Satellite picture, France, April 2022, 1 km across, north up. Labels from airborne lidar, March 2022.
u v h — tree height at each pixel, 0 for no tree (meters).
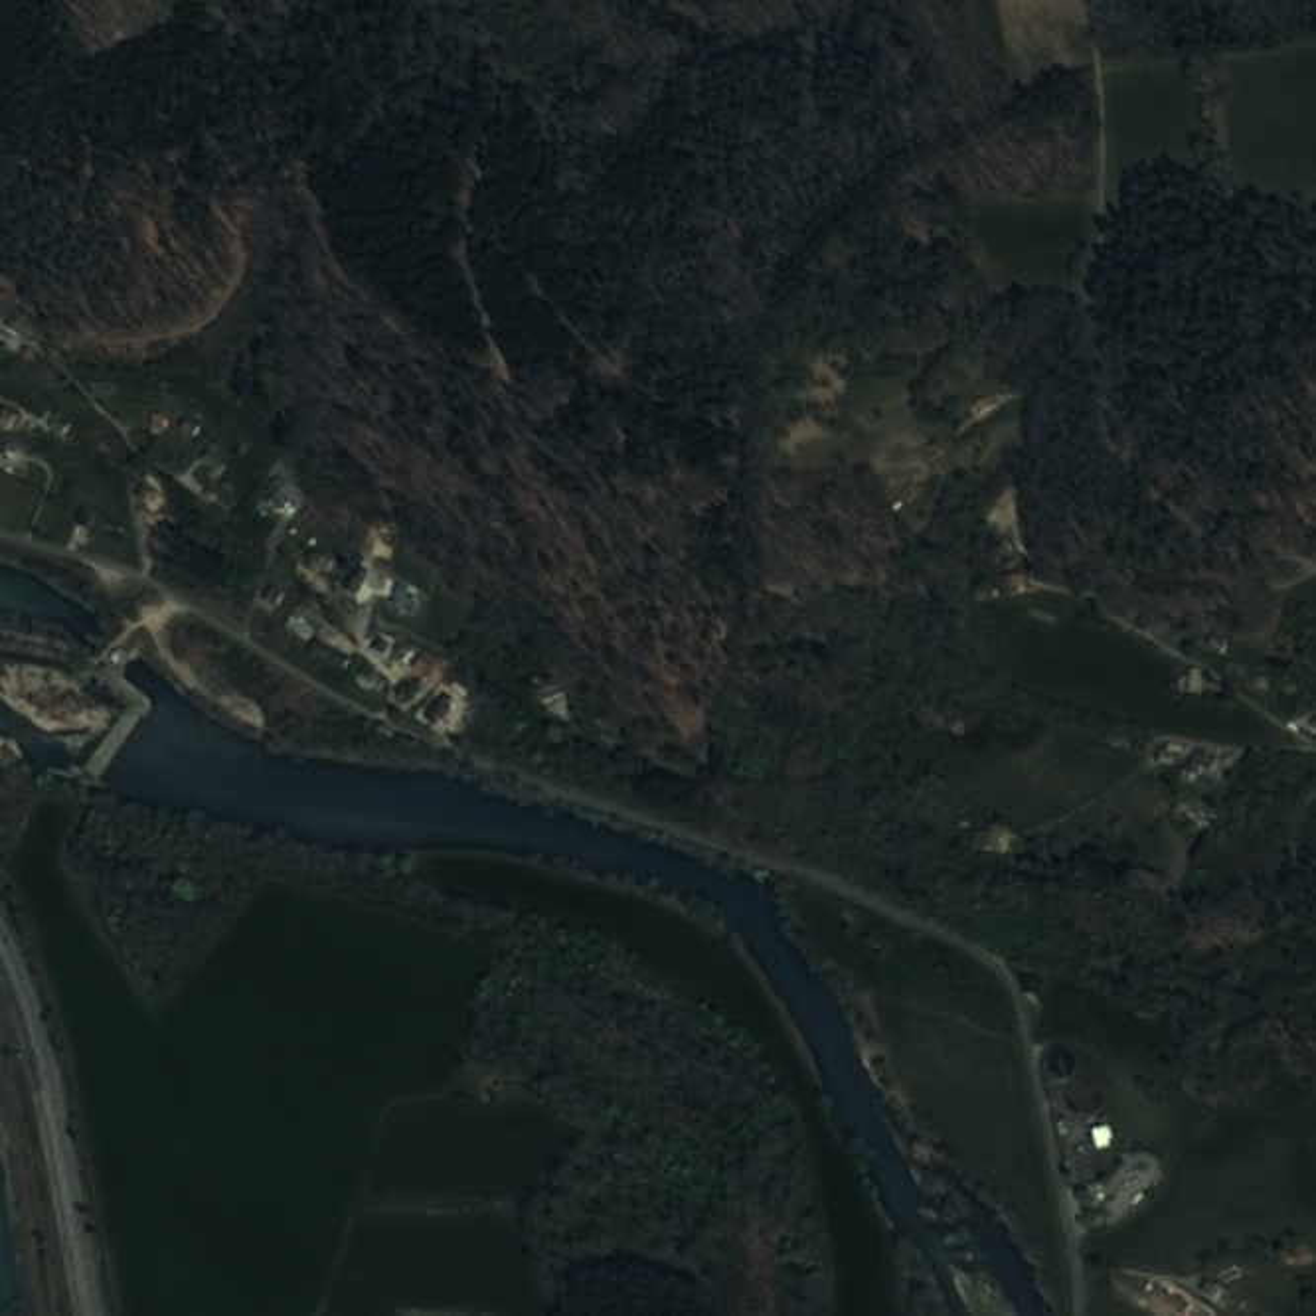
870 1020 13
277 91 12
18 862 0
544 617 29
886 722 22
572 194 9
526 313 14
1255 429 25
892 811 25
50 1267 0
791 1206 22
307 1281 0
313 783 0
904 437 0
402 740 8
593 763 22
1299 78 0
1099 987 17
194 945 11
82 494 0
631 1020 18
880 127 22
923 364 0
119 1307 0
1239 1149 0
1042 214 0
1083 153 26
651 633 10
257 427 0
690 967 0
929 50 33
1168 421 19
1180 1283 0
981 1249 0
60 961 0
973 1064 0
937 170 28
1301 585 0
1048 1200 0
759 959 0
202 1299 0
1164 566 28
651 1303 26
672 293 26
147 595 0
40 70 13
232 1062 0
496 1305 0
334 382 32
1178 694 10
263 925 0
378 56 18
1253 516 21
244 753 0
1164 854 0
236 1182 0
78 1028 0
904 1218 0
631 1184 27
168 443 0
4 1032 0
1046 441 27
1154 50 23
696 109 25
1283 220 21
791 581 27
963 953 0
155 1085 0
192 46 11
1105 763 0
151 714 0
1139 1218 0
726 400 13
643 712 29
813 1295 26
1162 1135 0
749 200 23
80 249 20
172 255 27
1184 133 0
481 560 30
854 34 8
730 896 0
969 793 0
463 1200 0
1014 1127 0
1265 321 10
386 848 0
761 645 23
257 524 0
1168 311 21
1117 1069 0
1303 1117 0
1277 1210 0
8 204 26
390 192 16
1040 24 0
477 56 27
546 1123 0
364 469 32
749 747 18
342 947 0
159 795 0
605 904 0
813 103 28
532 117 15
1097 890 18
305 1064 0
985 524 13
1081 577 17
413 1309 0
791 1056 0
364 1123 0
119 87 11
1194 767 0
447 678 0
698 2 0
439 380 31
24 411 0
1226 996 30
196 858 14
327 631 0
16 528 0
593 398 28
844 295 30
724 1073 18
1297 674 0
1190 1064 17
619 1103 10
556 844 0
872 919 0
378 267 13
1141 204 29
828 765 26
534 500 27
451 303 17
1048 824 0
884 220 29
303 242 24
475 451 28
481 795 0
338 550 0
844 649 22
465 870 0
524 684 8
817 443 0
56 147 11
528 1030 14
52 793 14
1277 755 6
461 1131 0
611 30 30
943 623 27
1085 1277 0
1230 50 23
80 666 13
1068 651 0
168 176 9
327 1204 0
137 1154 0
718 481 9
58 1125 0
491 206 15
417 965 0
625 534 30
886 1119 0
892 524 29
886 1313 0
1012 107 29
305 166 34
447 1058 0
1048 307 24
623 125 27
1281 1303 0
